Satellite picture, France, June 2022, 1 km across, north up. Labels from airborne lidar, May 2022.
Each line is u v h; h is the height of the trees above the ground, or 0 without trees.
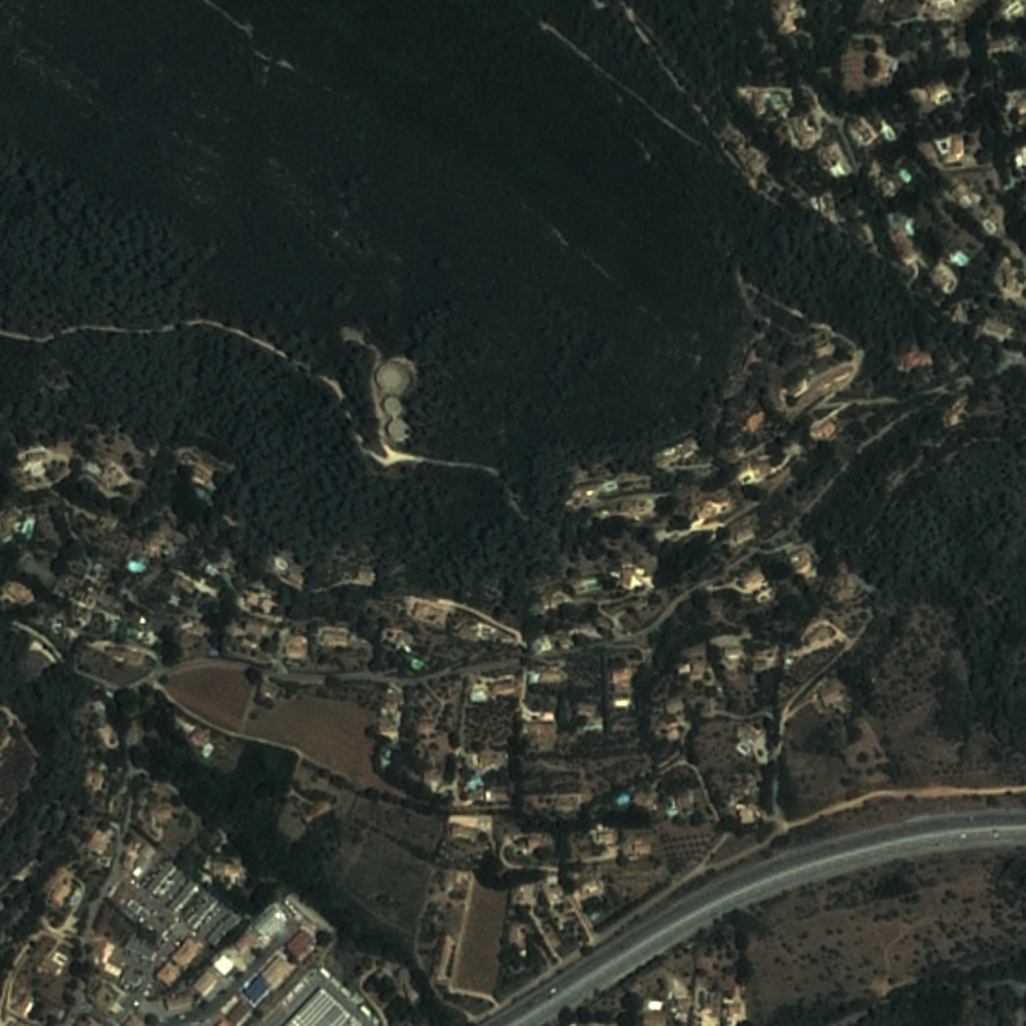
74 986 9
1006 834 0
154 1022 14
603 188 10
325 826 7
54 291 13
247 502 16
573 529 23
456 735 12
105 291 24
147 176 6
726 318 17
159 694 6
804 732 0
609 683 8
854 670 6
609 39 16
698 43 19
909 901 10
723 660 8
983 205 7
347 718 0
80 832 21
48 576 0
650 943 0
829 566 17
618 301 6
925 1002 14
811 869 0
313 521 8
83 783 12
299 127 6
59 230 15
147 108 6
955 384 8
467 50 11
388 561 19
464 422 13
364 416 14
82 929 6
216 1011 0
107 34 7
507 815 9
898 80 10
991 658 19
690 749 7
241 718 0
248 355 11
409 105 9
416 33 11
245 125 5
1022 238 15
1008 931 6
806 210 11
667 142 11
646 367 6
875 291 12
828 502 10
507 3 7
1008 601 9
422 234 7
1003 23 12
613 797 7
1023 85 11
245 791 6
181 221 17
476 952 0
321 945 12
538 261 6
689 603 8
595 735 9
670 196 12
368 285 6
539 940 9
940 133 14
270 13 6
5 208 12
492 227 7
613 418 6
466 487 7
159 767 15
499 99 9
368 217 6
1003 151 13
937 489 16
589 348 6
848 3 11
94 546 7
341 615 23
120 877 0
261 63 5
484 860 6
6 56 6
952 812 0
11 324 19
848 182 8
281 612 17
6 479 16
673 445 9
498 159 7
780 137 13
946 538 16
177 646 12
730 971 12
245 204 6
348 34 8
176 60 7
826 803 0
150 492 11
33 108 8
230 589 10
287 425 13
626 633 7
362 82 6
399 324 9
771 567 13
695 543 12
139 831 7
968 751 11
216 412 14
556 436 7
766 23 9
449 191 8
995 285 7
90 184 10
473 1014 0
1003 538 17
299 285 7
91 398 23
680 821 8
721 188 9
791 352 20
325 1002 0
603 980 0
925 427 12
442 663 7
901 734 0
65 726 6
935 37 13
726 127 9
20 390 8
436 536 10
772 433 6
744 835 7
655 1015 0
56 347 19
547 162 6
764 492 17
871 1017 6
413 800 6
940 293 11
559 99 10
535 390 6
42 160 19
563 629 7
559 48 9
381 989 12
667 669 9
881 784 0
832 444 14
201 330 19
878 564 8
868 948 0
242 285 10
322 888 7
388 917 0
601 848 6
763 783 9
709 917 0
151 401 20
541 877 15
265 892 14
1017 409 7
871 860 0
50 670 16
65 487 15
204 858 7
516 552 22
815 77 10
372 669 10
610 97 9
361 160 7
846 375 0
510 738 7
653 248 9
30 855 20
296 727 0
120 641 8
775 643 10
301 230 7
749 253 11
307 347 18
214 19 6
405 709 9
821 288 19
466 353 10
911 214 9
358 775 0
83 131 7
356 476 18
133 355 21
